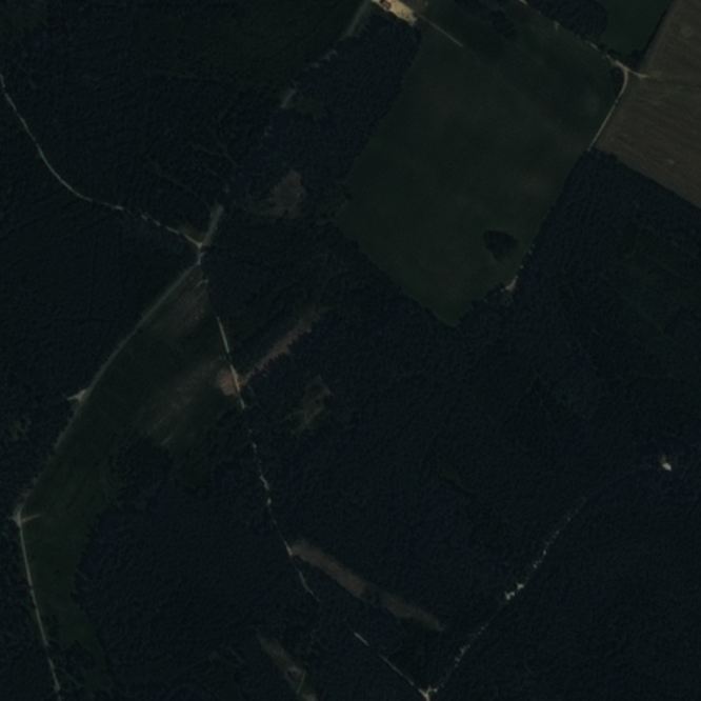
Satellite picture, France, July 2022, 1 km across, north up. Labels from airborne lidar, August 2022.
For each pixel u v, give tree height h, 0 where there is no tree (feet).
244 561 83
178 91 57
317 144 99
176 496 82
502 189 0
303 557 0
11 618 73
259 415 83
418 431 63
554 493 62
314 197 93
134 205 56
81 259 48
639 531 71
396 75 94
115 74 54
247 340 0
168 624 70
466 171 0
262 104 46
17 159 28
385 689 81
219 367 0
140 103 59
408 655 27
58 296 35
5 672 54
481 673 28
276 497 77
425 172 0
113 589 103
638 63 31
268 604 92
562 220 50
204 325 22
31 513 0
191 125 64
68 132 51
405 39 78
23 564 0
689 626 58
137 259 30
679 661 64
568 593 64
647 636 51
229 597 79
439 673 58
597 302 37
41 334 34
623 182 73
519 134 0
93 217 46
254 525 26
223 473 88
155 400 0
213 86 50
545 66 0
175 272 22
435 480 92
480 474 60
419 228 0
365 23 0
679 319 57
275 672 65
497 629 47
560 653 58
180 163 33
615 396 76
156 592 98
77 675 39
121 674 36
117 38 55
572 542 60
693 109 0
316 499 74
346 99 85
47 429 86
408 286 0
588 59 0
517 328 92
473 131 0
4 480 99
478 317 95
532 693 56
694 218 79
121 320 58
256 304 21
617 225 69
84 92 49
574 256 56
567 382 115
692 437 105
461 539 109
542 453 61
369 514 87
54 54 72
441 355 95
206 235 0
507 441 69
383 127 0
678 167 0
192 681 90
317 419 19
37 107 58
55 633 20
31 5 93
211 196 46
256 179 103
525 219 0
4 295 22
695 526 78
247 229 28
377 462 68
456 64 0
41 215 29
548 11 72
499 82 0
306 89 87
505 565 107
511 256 0
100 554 95
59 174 41
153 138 57
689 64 0
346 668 87
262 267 66
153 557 111
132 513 90
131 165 44
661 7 0
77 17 114
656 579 64
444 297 0
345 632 94
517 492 57
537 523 49
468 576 103
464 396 70
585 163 63
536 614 69
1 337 45
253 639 70
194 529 87
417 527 70
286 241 26
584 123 0
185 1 24
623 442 77
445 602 81
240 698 26
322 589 94
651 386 35
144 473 24
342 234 33
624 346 40
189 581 82
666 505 91
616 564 70
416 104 0
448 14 0
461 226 0
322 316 29
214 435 34
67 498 0
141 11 20
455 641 50
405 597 96
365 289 33
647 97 0
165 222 40
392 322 95
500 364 62
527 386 48
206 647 75
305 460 101
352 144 80
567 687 56
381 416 79
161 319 0
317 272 20
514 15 0
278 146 107
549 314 86
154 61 19
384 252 0
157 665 31
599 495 65
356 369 79
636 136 0
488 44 0
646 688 60
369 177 0
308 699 0
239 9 35
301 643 106
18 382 96
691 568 68
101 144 52
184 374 0
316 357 93
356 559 70
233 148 29
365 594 22
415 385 72
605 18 74
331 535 70
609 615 62
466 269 0
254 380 0
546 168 0
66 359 68
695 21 0
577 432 62
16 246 45
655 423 74
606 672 62
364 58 86
